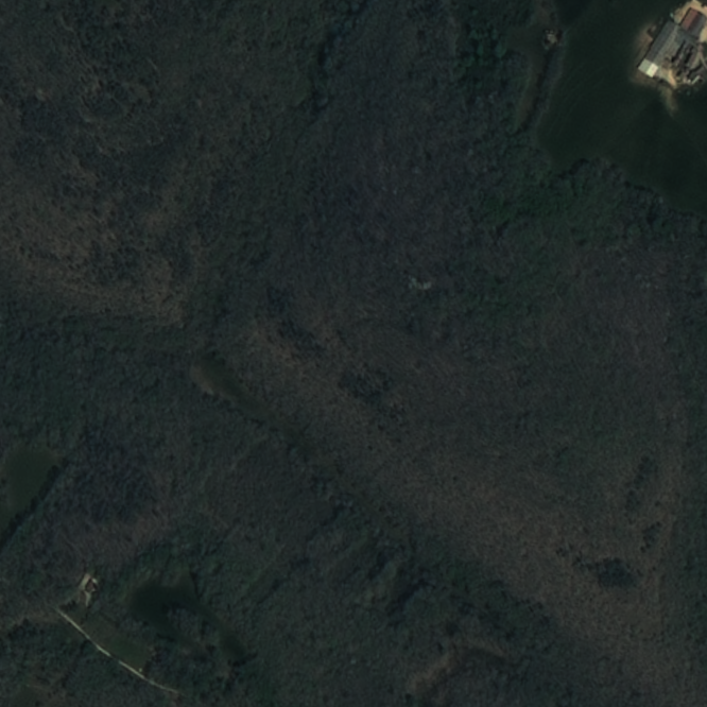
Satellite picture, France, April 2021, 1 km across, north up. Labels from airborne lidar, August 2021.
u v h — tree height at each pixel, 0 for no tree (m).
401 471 13
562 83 0
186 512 16
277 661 20
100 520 26
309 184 7
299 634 18
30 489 0
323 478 8
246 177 13
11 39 18
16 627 23
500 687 17
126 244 16
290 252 11
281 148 22
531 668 28
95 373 23
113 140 16
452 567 22
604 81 0
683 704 13
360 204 25
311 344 13
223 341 18
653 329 19
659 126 0
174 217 11
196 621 20
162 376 23
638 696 11
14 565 21
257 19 24
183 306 10
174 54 18
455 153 17
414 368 18
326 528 19
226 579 22
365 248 28
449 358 18
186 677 19
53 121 18
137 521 21
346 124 16
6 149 12
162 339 17
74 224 13
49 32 19
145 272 10
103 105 20
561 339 22
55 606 14
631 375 17
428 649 12
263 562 13
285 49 21
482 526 13
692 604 21
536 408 23
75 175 9
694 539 24
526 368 22
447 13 12
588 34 0
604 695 14
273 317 9
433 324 22
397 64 23
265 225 22
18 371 24
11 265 11
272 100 17
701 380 20
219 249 16
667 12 0
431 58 17
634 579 10
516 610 16
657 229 23
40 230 10
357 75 19
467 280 21
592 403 16
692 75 0
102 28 21
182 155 15
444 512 13
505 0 6
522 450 20
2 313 18
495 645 23
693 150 0
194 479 17
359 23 24
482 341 24
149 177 16
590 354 21
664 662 10
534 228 23
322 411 14
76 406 18
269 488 7
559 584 8
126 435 15
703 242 19
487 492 11
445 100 20
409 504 14
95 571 10
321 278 13
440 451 13
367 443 11
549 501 10
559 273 20
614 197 22
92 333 19
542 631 13
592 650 12
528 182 23
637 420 21
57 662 8
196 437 19
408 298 25
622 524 15
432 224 19
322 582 15
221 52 21
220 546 11
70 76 18
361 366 9
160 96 14
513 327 20
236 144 17
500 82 10
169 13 22
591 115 0
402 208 16
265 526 13
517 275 22
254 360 11
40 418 21
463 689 15
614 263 19
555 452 18
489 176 19
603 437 19
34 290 12
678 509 12
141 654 0
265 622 16
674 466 17
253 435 21
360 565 13
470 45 8
